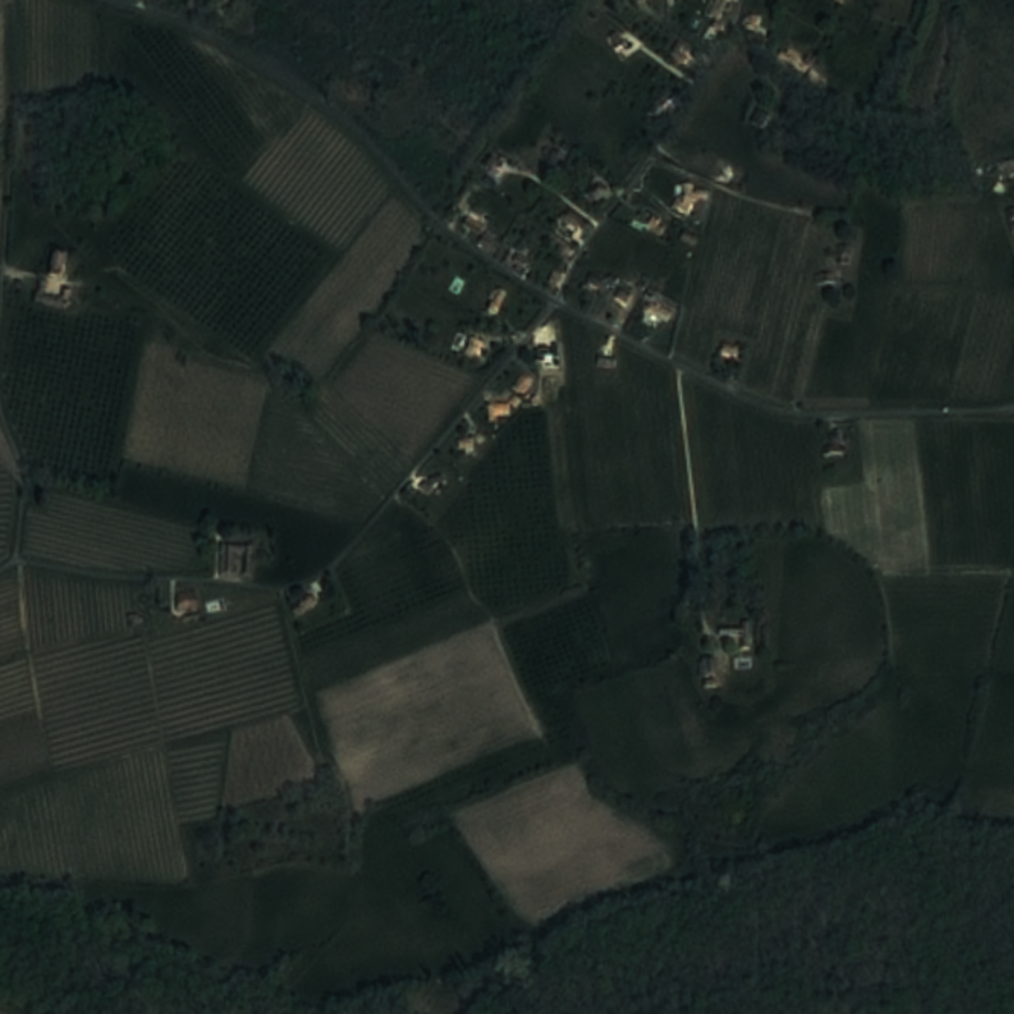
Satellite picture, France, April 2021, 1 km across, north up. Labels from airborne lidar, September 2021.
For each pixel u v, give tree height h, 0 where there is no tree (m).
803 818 0
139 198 13
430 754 0
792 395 0
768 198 0
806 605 0
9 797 0
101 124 26
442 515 0
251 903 0
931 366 0
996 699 0
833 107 22
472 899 0
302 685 0
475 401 0
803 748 6
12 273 0
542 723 0
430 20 10
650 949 27
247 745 0
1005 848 20
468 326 9
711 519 0
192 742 0
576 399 0
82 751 0
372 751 0
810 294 0
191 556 0
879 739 0
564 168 8
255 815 0
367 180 0
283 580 0
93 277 0
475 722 0
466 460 6
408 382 0
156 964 27
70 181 22
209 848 20
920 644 0
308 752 0
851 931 17
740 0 0
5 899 26
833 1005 20
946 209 0
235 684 0
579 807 0
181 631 0
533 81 15
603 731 0
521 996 26
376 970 0
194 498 0
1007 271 0
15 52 0
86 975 24
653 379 0
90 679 0
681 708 0
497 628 0
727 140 0
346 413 0
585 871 0
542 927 0
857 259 0
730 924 22
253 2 6
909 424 0
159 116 19
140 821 0
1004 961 20
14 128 15
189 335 0
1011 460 0
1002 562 0
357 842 15
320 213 0
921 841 22
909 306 0
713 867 12
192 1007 30
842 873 18
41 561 0
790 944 17
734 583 22
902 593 0
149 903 0
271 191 0
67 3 0
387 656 0
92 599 0
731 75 0
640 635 0
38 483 15
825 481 0
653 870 0
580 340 0
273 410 0
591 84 0
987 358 0
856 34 0
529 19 16
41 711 0
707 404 0
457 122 9
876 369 0
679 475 0
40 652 0
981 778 0
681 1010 17
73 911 28
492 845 0
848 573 0
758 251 0
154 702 0
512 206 9
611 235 0
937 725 0
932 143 23
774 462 0
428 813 8
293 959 12
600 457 0
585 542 0
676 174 0
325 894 0
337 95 8
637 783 0
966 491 0
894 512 0
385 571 0
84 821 0
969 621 0
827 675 0
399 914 0
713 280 0
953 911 21
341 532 0
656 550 0
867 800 0
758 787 6
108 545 0
